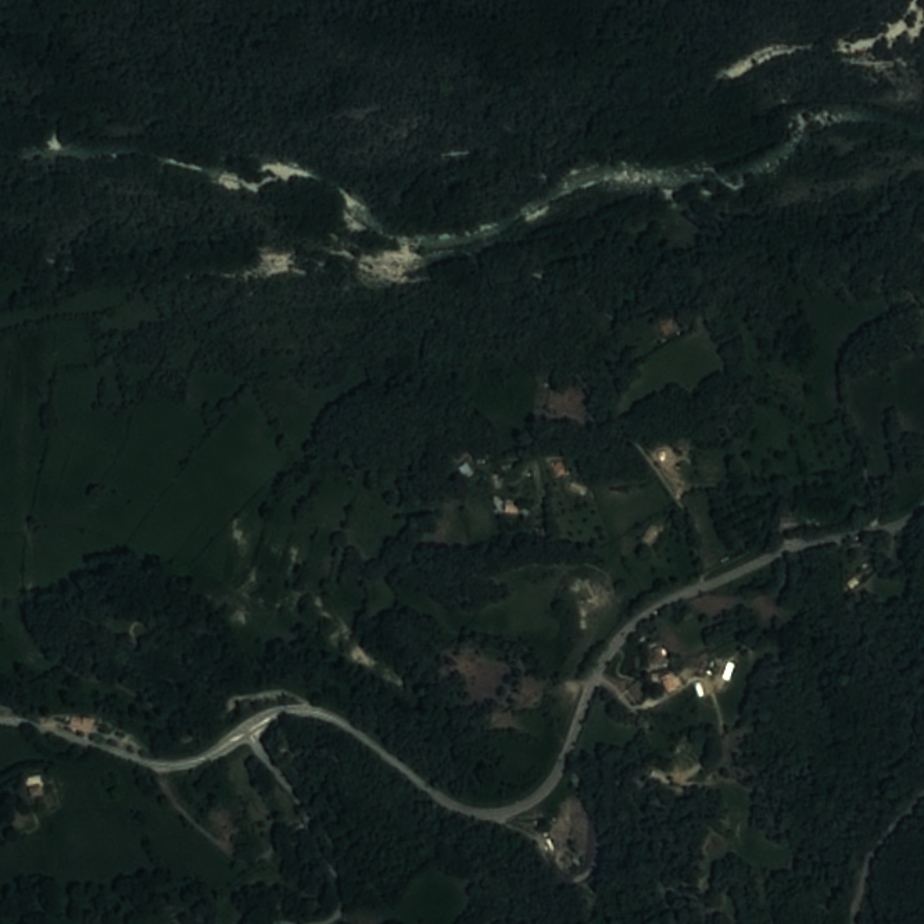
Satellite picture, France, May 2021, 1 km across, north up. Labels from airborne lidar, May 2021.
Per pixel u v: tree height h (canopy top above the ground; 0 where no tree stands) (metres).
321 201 23
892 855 8
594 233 21
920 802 11
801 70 7
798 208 8
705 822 14
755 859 0
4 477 0
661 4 15
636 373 16
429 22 26
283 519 0
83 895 16
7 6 16
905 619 16
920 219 16
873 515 8
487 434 21
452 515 0
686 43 11
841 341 0
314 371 9
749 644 17
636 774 17
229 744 0
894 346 13
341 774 12
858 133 15
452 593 21
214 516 0
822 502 16
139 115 10
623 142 22
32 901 15
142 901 18
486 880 14
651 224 9
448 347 16
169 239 13
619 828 9
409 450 20
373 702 19
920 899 7
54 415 15
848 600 13
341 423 18
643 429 16
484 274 15
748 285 15
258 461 0
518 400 0
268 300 6
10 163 16
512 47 25
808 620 8
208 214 9
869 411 0
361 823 7
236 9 18
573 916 25
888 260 15
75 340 0
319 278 8
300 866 15
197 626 18
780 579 12
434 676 19
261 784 18
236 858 6
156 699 24
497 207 14
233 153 10
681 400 16
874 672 15
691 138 19
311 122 12
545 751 0
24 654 0
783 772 10
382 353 14
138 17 8
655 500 0
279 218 12
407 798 14
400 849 9
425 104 11
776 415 0
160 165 12
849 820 13
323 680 18
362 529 0
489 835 15
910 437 14
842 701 14
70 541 0
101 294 0
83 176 11
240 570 0
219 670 19
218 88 17
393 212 22
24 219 6
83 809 0
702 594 7
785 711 14
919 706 16
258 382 11
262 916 21
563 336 17
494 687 0
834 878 16
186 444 0
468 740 23
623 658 0
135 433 0
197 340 8
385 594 0
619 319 14
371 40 18
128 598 21
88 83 19
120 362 6
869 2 6
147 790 11
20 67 19
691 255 12
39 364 0
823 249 18
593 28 21
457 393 18
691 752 0
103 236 10
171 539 0
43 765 8
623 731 0
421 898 0
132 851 0
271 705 12
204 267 20
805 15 7
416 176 8
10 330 9
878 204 9
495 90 9
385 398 21
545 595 0
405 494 17
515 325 17
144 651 18
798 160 7
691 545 9
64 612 19
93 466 0
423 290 9
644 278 11
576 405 0
